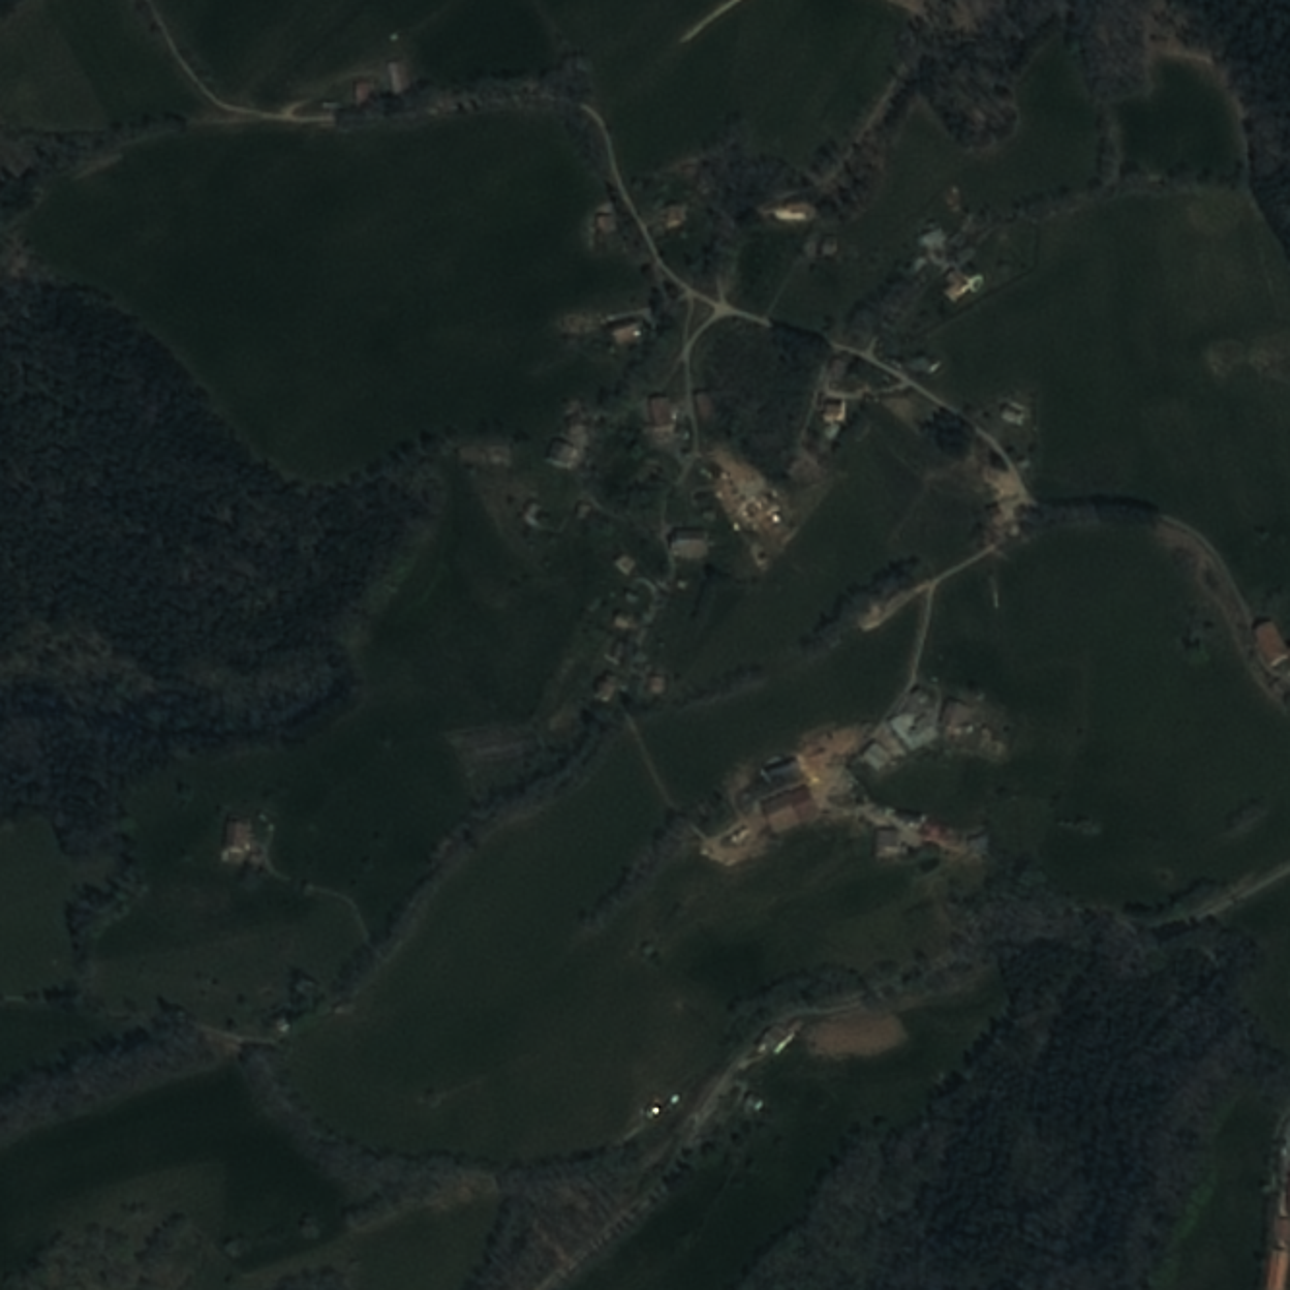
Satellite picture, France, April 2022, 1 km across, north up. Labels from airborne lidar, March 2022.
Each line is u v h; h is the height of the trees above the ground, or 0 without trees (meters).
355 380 0
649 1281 0
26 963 0
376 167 0
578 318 0
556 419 0
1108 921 18
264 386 0
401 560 17
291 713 20
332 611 15
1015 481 0
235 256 0
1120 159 15
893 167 0
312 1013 16
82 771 27
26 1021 0
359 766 0
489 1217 0
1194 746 0
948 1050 0
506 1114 0
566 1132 0
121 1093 20
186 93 0
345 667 17
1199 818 0
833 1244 22
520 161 0
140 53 0
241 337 0
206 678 25
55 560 26
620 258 0
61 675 19
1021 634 0
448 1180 20
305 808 0
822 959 0
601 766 11
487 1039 0
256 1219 0
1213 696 0
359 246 0
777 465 7
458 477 0
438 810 0
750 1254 0
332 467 0
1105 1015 22
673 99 0
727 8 0
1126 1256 29
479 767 0
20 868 0
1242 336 0
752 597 0
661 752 0
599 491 16
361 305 0
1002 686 0
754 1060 0
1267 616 10
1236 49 19
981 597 0
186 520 22
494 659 0
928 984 24
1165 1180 26
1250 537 0
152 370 21
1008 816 0
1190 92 0
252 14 0
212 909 0
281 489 22
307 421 0
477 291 0
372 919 0
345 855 0
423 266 0
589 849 0
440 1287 0
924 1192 10
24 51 0
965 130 12
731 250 17
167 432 14
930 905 0
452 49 0
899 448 0
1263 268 0
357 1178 22
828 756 0
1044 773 0
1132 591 0
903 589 18
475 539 0
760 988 0
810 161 0
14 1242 0
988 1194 30
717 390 7
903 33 0
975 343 0
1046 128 0
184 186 0
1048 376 0
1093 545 0
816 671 0
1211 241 0
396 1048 0
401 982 0
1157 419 0
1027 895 23
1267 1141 0
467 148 0
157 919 0
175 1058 26
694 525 0
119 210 0
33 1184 0
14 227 10
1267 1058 28
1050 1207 10
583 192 0
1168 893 0
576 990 0
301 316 0
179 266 0
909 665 0
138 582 14
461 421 0
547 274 0
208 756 23
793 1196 0
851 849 9
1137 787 0
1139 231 0
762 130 0
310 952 0
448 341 0
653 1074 0
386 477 20
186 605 25
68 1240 9
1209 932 19
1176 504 0
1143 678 0
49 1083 21
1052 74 0
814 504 0
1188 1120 27
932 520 0
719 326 0
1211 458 0
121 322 19
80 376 27
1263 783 0
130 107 0
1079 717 0
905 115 9
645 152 0
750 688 14
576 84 19
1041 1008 19
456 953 0
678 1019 0
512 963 0
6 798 27
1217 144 0
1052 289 0
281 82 0
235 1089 0
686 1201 0
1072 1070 17
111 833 25
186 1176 0
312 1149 18
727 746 0
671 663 0
